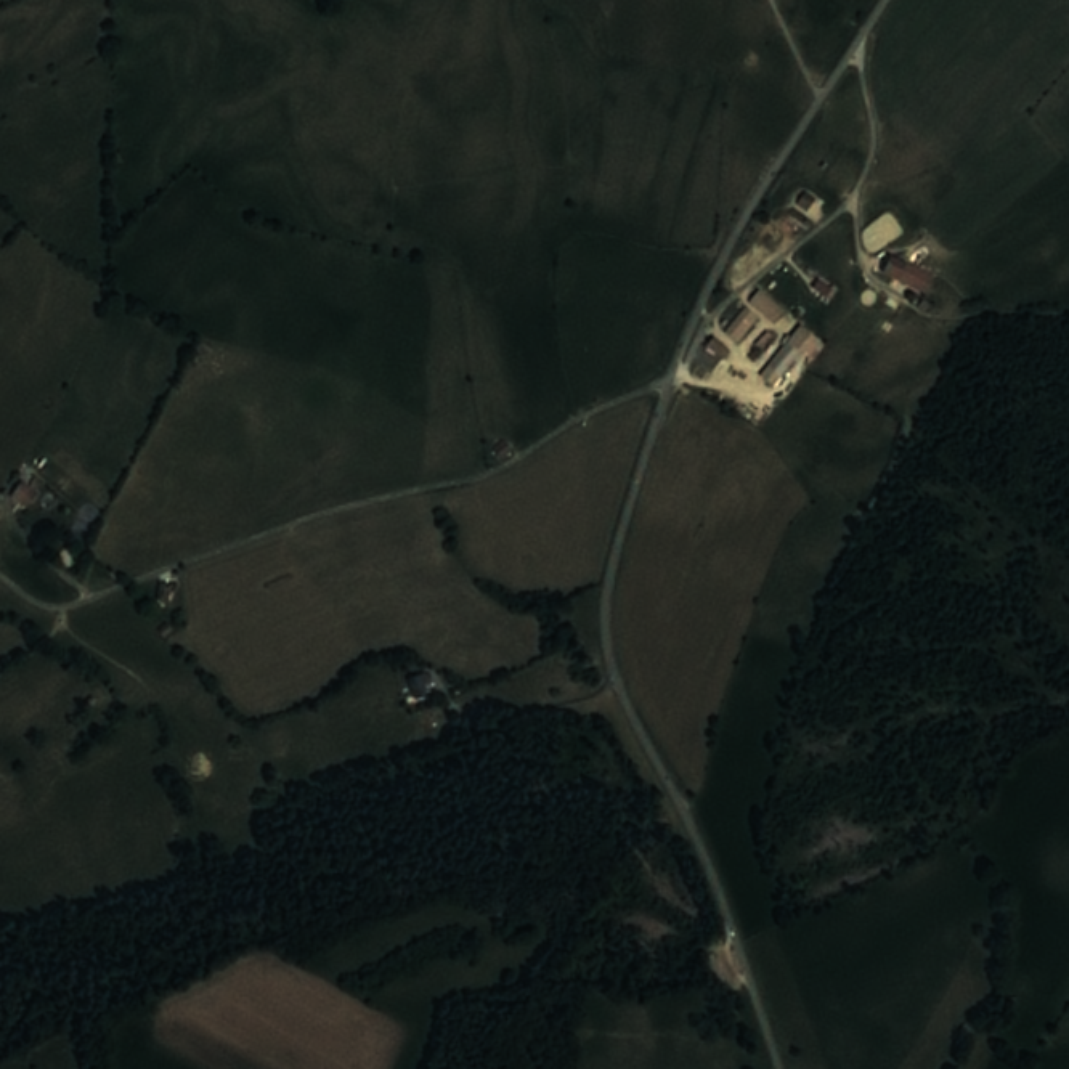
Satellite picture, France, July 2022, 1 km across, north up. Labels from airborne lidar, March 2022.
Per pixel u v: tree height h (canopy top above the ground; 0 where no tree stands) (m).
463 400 0
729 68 0
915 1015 0
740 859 0
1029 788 0
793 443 0
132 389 0
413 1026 0
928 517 9
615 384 0
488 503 0
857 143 0
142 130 0
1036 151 0
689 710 0
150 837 0
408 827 37
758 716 0
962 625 12
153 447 0
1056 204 0
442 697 12
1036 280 0
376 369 0
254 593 0
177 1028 0
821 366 0
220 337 0
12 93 0
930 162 0
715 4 0
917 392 0
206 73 0
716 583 0
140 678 0
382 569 0
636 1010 0
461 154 0
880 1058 0
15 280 0
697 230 0
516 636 0
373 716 0
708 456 0
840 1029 0
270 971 0
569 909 18
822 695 7
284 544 0
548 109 0
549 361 0
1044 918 0
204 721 0
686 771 0
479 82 0
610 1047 0
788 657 0
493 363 0
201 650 0
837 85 0
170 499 0
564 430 0
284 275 0
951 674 14
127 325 0
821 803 7
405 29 0
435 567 0
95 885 0
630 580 0
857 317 0
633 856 37
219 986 0
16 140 0
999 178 0
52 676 0
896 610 12
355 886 23
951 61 0
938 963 0
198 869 6
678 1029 0
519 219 0
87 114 0
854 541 11
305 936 17
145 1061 0
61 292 0
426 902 15
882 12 0
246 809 0
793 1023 0
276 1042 0
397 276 0
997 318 14
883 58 0
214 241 0
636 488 0
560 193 0
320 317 0
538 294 0
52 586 0
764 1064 0
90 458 0
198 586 0
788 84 0
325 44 0
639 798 27
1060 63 0
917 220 0
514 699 0
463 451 0
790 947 0
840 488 0
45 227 0
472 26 0
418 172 0
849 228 0
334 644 0
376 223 0
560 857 19
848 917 0
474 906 19
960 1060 18
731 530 0
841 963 0
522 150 0
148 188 0
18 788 0
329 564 0
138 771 0
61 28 0
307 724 0
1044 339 6
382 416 0
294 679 0
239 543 0
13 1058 23
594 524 0
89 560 15
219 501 0
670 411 0
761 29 0
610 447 0
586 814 27
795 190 0
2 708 0
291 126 0
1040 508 13
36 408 0
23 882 0
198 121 0
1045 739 21
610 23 0
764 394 0
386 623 0
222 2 0
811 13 0
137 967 18
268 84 0
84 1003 31
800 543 0
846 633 9
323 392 0
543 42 0
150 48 0
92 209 0
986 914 0
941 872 0
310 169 0
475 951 13
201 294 0
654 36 0
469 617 0
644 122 0
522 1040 33
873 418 0
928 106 0
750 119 0
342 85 0
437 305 0
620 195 0
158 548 0
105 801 0
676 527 0
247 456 0
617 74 0
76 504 0
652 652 0
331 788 26
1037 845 0
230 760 0
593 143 0
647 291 0
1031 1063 18
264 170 0
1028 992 0
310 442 0
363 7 0
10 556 0
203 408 0
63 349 0
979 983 0
